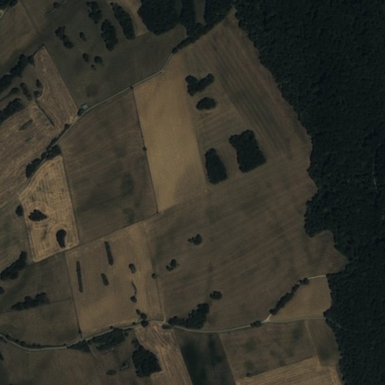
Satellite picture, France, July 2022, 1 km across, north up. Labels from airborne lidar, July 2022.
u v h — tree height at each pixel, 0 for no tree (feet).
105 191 0
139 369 44
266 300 0
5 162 0
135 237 0
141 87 0
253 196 0
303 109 58
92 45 0
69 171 0
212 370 0
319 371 0
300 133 0
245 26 49
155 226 0
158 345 0
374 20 65
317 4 80
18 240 0
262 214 0
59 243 30
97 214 0
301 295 0
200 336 0
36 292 0
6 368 0
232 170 0
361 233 65
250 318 0
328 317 45
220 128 0
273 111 0
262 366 0
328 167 82
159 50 0
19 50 0
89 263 0
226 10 35
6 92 0
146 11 60
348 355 59
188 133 0
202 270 0
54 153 32
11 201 0
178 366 0
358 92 66
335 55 78
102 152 0
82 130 0
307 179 0
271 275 0
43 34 0
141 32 0
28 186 0
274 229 0
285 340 0
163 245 0
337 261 0
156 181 0
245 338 0
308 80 73
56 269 0
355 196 69
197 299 0
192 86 38
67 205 0
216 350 0
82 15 0
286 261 0
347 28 73
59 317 0
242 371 0
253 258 0
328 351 0
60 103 0
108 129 0
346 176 61
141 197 0
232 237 0
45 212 0
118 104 0
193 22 47
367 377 51
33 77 0
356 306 66
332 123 85
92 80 0
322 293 0
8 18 0
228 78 0
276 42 62
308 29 77
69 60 0
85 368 0
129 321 0
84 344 29
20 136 0
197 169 0
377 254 60
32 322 0
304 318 0
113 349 0
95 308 0
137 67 0
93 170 0
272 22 89
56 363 0
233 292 0
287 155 0
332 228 52
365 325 65
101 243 0
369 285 70
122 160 0
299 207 0
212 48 0
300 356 0
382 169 72
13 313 0
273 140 0
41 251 0
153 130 0
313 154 45
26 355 0
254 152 62
